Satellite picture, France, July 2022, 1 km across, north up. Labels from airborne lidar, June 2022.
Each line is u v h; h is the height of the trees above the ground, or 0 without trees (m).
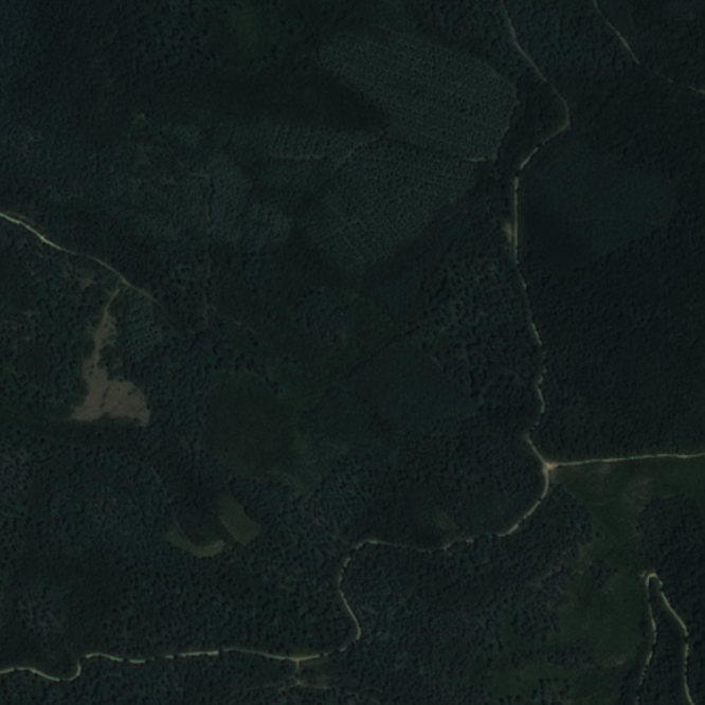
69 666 7
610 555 9
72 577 7
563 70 22
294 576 15
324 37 8
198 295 15
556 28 20
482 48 11
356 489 17
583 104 19
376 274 13
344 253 9
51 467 17
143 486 17
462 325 18
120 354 9
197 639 14
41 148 16
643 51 12
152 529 17
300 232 6
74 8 14
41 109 11
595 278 12
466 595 11
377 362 9
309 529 14
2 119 13
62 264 13
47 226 6
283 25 7
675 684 14
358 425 11
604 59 19
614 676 7
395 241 11
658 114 16
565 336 7
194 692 12
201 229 8
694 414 13
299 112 7
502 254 16
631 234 12
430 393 8
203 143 9
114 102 8
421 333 12
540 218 9
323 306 17
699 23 7
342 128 8
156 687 17
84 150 12
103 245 12
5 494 20
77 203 7
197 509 12
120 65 13
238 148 10
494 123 14
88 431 6
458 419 6
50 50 15
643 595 7
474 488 11
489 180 13
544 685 23
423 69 12
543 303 10
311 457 7
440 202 9
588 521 25
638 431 14
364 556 17
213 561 17
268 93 9
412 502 7
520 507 7
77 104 12
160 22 14
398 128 13
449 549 7
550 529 7
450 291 20
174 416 12
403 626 13
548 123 17
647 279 14
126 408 0
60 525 15
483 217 14
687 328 20
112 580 10
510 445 10
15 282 11
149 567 18
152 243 6
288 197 6
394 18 9
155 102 10
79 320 13
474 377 20
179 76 12
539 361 12
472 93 14
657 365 12
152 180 6
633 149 11
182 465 15
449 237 14
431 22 10
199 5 22
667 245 17
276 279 7
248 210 8
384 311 10
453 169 13
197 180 14
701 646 21
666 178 9
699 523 10
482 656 9
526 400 17
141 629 12
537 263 7
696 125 13
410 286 13
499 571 8
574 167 9
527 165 9
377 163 13
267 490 17
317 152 13
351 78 13
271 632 7
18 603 18
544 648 7
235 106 8
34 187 6
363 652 16
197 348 17
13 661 9
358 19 9
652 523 10
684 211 13
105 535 16
